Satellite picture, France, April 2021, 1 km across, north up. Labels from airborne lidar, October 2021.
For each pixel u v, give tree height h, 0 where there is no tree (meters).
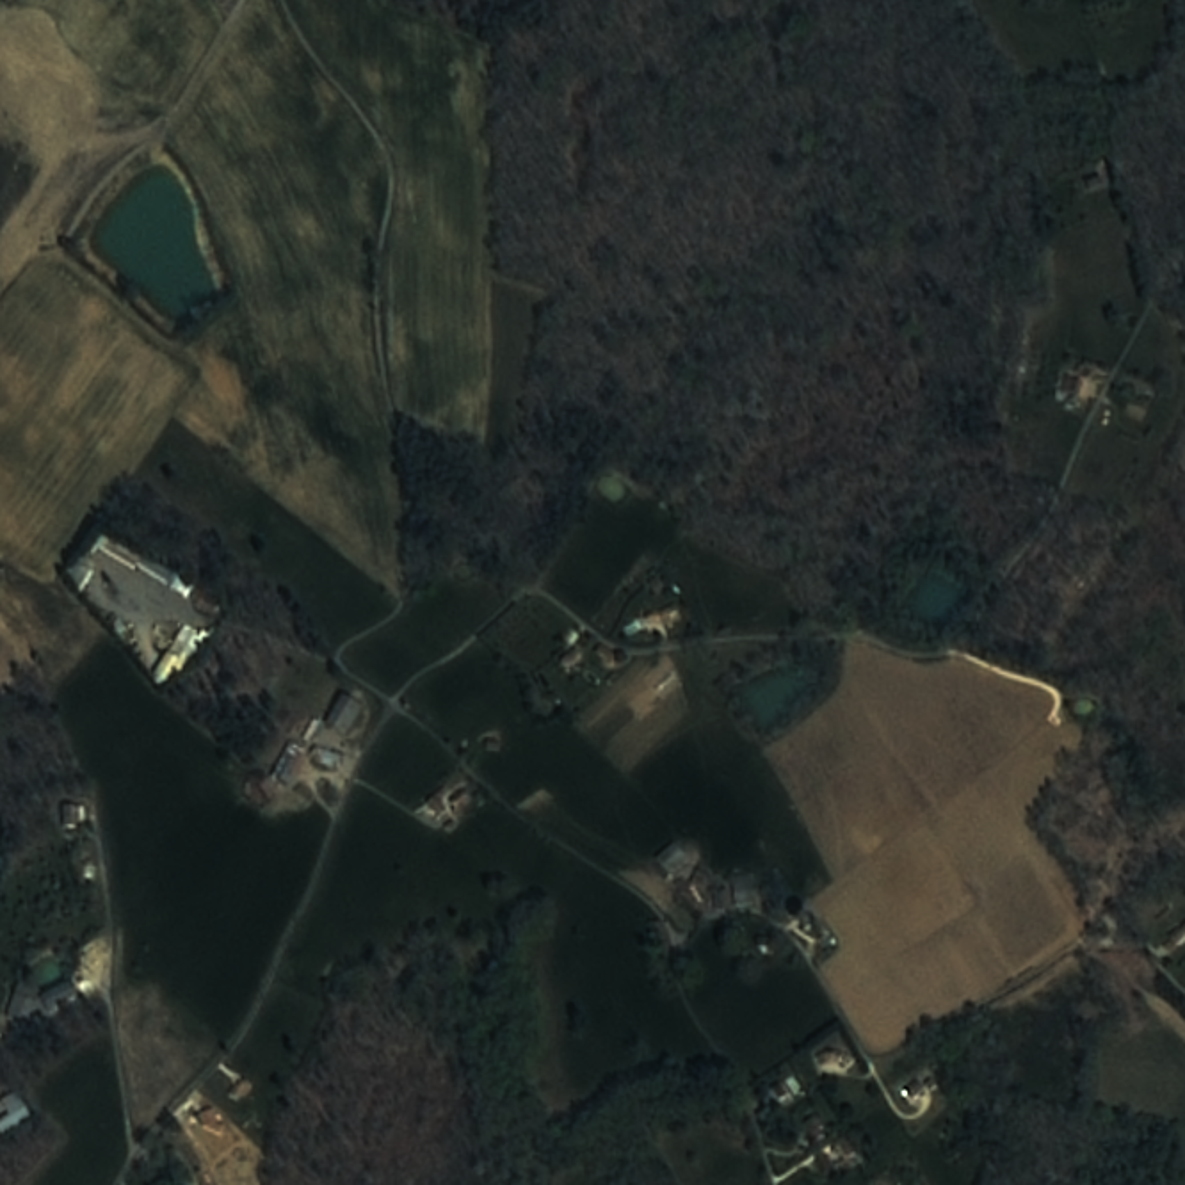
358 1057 16
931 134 17
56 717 11
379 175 0
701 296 26
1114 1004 16
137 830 0
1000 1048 18
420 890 0
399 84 0
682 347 19
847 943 0
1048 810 15
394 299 0
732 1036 0
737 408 21
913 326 21
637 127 23
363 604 0
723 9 20
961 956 0
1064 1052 0
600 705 0
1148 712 17
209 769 0
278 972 0
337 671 13
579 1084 0
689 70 15
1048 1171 23
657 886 0
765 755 0
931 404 10
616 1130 24
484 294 0
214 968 0
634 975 0
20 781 19
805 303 18
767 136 16
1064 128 16
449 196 0
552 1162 22
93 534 16
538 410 12
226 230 0
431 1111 18
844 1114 9
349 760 0
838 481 9
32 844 17
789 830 0
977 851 0
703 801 0
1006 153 25
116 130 0
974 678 0
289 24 0
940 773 0
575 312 18
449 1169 9
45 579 0
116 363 0
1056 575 18
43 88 0
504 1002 29
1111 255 0
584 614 0
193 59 0
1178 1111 0
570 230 19
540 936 20
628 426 18
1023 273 22
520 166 14
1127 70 0
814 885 0
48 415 0
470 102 0
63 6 0
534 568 18
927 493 17
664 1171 17
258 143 0
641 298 24
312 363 0
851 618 19
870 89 15
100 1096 0
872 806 0
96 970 0
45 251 0
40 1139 16
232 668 14
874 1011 0
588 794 0
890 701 0
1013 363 21
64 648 0
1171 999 9
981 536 7
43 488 0
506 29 16
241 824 0
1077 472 0
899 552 12
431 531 26
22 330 0
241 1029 0
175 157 0
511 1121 26
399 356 0
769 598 0
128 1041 0
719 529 18
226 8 0
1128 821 22
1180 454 19
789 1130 8
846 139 18
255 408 0
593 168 15
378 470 0
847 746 0
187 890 0
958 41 21
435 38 0
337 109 0
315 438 0
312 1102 11
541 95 20
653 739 0
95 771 0
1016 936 0
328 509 0
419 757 0
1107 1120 19
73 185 0
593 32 21
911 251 19
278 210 0
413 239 0
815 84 23
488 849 0
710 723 0
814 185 16
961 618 18
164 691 11
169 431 0
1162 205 16
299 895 0
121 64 0
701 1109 26
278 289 0
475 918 0
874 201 22
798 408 11
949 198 13
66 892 9
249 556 0
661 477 19
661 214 21
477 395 0
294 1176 9
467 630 0
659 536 0
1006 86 24
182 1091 0
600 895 0
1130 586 16
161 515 19
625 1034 0
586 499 18
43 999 0
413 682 0
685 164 13
